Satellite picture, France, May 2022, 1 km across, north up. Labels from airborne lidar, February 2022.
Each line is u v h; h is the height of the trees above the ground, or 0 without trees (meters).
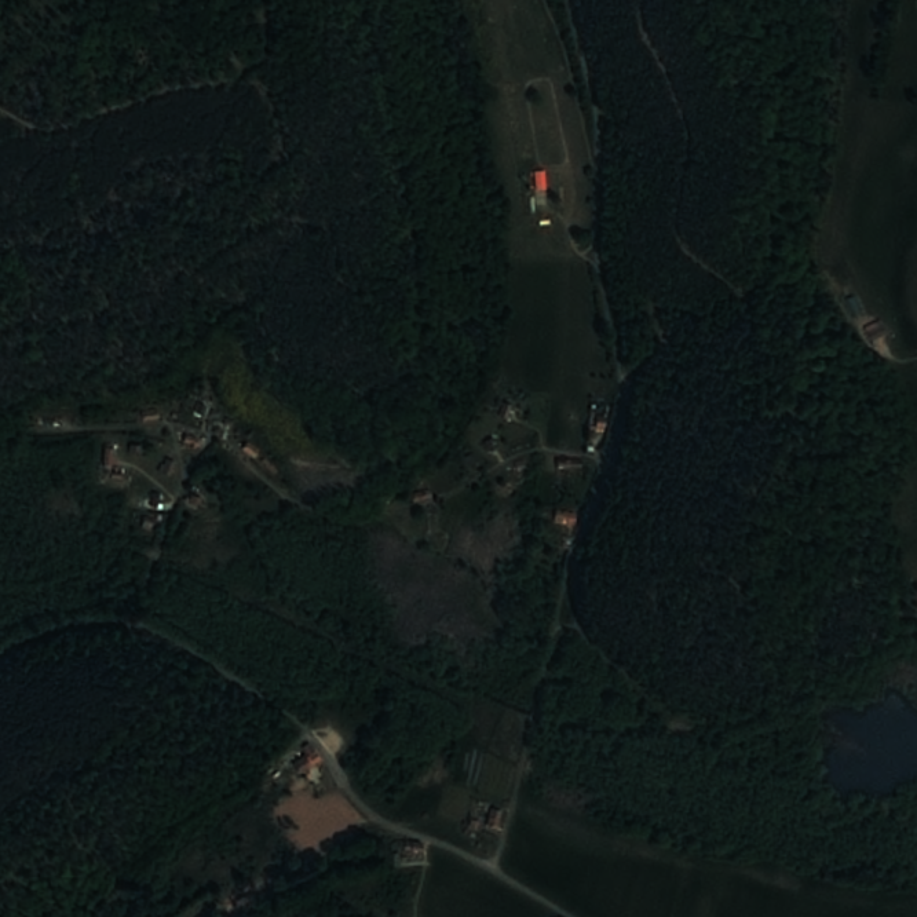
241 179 17
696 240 15
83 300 21
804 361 35
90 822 24
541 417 0
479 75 15
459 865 0
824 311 36
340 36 19
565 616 0
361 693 9
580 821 0
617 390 0
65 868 34
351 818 0
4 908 31
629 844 0
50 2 23
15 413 30
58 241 10
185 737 25
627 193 20
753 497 31
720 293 19
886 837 19
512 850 0
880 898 0
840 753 0
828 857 19
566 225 0
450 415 21
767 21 27
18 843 26
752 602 24
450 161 27
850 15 0
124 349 20
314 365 21
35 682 20
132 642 15
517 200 0
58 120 18
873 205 0
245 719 27
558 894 0
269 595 19
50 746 18
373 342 20
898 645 21
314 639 17
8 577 9
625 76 23
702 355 29
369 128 26
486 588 11
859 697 7
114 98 22
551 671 14
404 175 25
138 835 32
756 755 15
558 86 0
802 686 28
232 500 16
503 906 0
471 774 0
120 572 20
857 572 30
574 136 0
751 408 24
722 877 0
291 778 0
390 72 24
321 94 25
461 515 0
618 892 0
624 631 21
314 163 21
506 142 0
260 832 0
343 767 17
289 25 25
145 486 0
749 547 25
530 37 0
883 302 0
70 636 19
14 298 22
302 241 21
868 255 0
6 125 10
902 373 0
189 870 0
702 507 32
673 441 35
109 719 20
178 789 25
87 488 6
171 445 0
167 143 11
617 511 24
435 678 15
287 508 18
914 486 0
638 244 21
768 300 28
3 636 21
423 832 0
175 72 24
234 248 23
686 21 18
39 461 0
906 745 0
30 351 23
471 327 31
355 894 0
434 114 25
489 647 12
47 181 9
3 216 11
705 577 21
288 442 0
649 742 18
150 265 23
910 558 0
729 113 16
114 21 23
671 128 22
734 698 26
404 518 0
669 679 24
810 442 32
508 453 0
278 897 27
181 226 24
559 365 0
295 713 12
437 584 0
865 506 33
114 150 11
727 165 18
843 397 36
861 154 0
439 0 28
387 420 31
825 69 31
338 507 31
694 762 21
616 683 18
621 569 23
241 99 10
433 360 27
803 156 35
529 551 17
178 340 28
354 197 20
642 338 24
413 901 0
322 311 18
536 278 0
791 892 0
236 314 25
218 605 16
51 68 22
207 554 0
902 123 0
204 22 30
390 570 0
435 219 30
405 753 17
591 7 23
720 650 23
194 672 27
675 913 0
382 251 20
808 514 31
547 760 7
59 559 6
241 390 0
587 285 0
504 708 0
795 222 16
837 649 27
